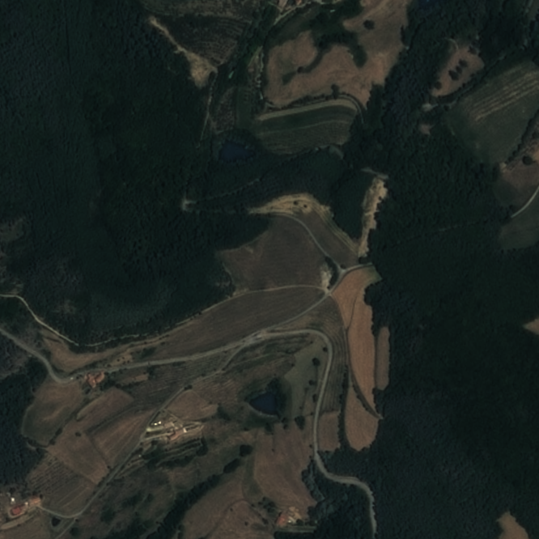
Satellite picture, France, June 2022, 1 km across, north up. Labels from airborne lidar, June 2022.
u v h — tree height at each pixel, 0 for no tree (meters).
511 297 16
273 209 0
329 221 0
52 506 0
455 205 13
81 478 0
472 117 0
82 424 0
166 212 14
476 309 10
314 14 0
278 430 0
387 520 17
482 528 8
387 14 0
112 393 0
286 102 0
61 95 14
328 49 15
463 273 13
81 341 8
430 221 15
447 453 19
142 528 12
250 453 12
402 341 11
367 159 14
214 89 8
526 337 11
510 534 0
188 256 13
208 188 18
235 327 0
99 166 12
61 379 0
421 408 19
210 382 0
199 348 0
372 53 0
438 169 10
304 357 0
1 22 11
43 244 12
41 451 13
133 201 18
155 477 0
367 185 14
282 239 0
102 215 9
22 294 7
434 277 16
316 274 0
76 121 16
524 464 12
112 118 20
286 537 15
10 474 18
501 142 0
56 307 9
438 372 11
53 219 14
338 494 19
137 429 0
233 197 13
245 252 0
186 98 12
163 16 6
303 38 0
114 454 0
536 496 15
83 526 0
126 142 11
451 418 12
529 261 16
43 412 0
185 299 11
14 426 17
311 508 8
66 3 15
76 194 15
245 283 0
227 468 12
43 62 12
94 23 13
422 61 12
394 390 12
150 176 12
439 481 14
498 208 20
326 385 0
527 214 0
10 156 16
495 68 12
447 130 5
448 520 14
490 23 21
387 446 12
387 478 19
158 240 14
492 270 15
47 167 16
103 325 10
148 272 19
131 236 18
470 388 9
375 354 0
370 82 0
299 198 0
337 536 22
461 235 11
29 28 11
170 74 14
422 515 15
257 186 8
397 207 16
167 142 14
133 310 10
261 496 0
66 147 15
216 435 0
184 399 0
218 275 8
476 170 19
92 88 14
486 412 11
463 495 14
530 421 8
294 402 0
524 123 0
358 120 10
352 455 10
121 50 20
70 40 17
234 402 0
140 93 12
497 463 11
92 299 10
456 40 20
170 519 17
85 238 15
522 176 0
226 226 15
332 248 0
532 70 0
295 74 0
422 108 10
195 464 0
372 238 19
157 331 10
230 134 8
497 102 0
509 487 14
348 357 0
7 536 0
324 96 6
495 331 11
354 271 0
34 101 16
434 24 16
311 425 0
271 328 0
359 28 0
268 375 0
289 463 0
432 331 9
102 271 14
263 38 19
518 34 26
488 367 12
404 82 26
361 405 0
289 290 0
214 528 0
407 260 16
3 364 11
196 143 12
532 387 10
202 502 0
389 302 23
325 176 15
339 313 0
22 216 9
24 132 12
